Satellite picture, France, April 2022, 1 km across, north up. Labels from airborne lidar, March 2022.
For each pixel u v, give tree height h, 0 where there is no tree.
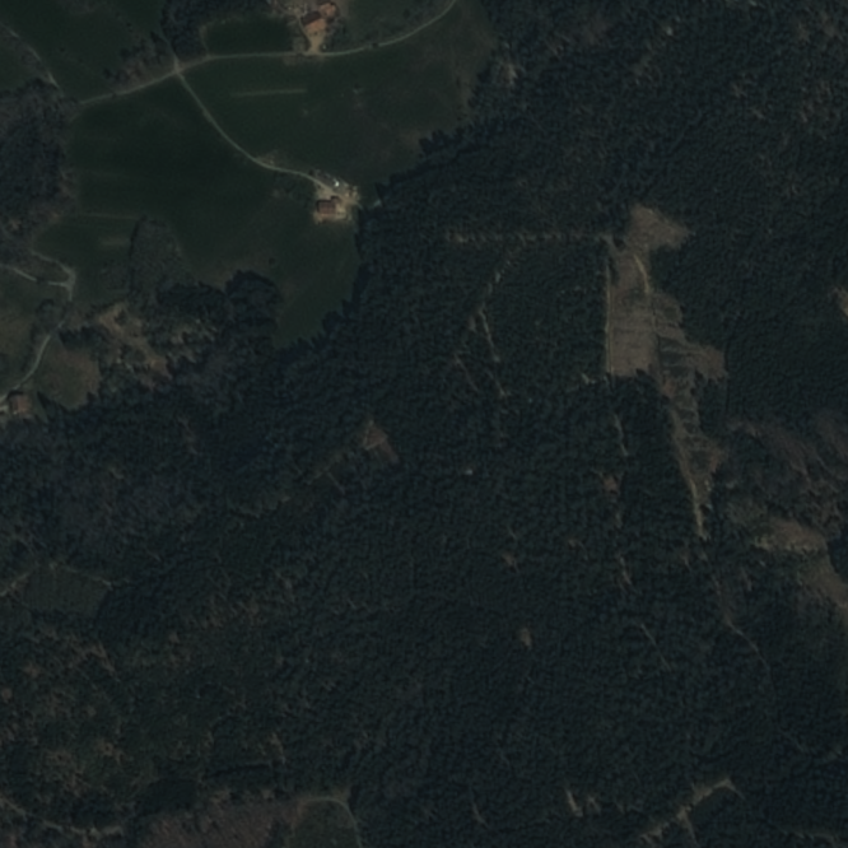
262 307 23
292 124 0
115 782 8
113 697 13
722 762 20
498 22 16
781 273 21
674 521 13
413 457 11
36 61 15
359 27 0
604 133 7
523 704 20
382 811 22
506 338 12
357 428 21
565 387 8
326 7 0
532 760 20
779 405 15
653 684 12
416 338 8
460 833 19
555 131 9
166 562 12
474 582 20
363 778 24
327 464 17
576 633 17
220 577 14
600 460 18
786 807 21
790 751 8
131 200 0
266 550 9
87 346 6
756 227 22
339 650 23
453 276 8
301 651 10
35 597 9
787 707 20
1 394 0
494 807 18
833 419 30
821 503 15
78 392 0
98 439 30
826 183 27
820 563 0
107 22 0
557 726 23
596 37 21
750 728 18
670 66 7
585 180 7
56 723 9
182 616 14
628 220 23
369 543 18
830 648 9
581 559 16
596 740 16
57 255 0
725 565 15
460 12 0
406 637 23
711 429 22
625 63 8
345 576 20
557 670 20
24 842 21
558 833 20
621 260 0
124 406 10
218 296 12
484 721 20
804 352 26
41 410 0
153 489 23
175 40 10
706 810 7
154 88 0
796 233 18
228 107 0
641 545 25
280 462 23
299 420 25
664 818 18
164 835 21
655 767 22
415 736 19
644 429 18
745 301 23
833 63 23
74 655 8
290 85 0
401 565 18
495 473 19
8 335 0
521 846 17
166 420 13
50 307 12
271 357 8
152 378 17
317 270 0
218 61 0
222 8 23
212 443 20
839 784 22
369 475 17
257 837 22
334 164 0
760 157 23
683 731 21
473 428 28
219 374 30
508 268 5
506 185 14
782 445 31
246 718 11
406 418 12
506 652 15
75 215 18
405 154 0
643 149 10
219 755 13
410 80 0
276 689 10
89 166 0
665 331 0
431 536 21
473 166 15
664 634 20
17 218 16
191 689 9
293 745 16
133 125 0
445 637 17
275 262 6
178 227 0
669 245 0
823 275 30
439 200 13
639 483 17
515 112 12
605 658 19
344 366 29
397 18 0
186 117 0
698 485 0
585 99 8
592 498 17
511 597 20
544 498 11
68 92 0
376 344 18
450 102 0
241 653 9
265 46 0
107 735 8
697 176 20
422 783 21
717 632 10
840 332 18
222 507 24
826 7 24
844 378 21
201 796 7
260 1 23
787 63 18
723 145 20
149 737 9
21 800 13
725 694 29
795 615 12
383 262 19
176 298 17
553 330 7
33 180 18
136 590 12
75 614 8
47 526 11
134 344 0
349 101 0
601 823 26
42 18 0
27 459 26
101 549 19
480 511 20
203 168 0
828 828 20
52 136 21
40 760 10
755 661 25
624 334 0
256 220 0
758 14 18
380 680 27
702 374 0
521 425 10
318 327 0
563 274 6
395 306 23
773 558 14
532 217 6
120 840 12
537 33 11
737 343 23
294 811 25
